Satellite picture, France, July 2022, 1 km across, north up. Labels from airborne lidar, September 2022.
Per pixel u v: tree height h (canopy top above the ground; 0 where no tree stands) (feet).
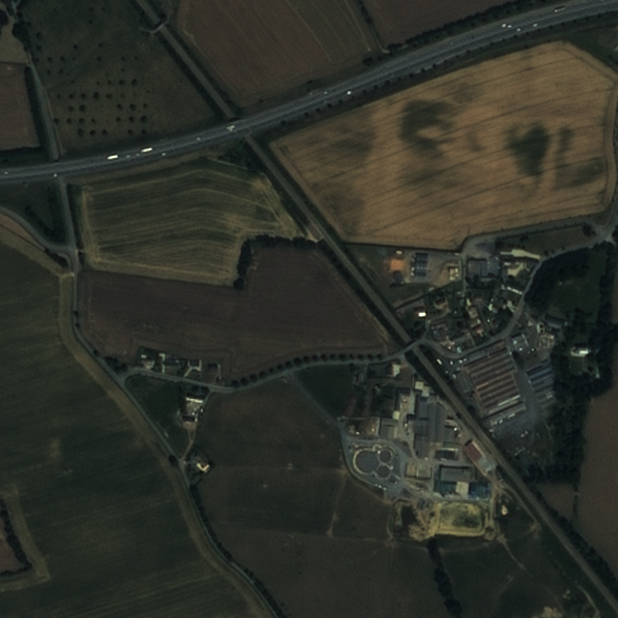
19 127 0
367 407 0
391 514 0
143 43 0
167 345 0
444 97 0
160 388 0
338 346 0
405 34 0
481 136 0
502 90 0
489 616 0
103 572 0
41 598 0
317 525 0
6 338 0
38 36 26
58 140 0
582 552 42
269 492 0
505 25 0
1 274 0
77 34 0
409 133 0
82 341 0
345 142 0
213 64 0
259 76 0
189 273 0
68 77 0
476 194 0
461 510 0
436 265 0
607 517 0
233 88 0
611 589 41
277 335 0
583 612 0
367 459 0
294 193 0
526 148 0
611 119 0
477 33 0
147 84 0
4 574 22
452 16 0
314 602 0
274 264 0
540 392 0
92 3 0
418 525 0
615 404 0
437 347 0
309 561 0
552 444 0
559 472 82
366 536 0
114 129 0
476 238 0
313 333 0
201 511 36
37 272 0
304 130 0
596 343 64
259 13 0
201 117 0
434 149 0
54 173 0
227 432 0
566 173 0
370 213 0
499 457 0
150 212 0
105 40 0
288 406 0
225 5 0
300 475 0
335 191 0
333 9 0
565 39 0
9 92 0
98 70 0
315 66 0
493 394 0
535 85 0
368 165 0
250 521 0
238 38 0
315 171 0
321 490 0
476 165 0
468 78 0
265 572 0
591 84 0
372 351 0
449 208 0
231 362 0
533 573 0
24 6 25
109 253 0
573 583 0
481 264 0
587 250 26
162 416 0
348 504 0
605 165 0
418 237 0
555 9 0
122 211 0
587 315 20
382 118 0
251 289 0
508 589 0
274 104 0
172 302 0
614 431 0
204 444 0
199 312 0
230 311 0
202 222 0
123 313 0
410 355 43
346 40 0
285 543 0
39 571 0
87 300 0
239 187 0
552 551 0
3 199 0
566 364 31
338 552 0
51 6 0
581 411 39
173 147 0
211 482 0
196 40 0
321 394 0
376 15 0
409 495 0
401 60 0
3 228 0
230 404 0
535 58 0
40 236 0
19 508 0
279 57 0
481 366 0
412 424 0
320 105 0
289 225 0
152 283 0
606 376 89
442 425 0
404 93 0
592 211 0
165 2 0
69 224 0
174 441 0
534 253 0
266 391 0
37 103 31
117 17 0
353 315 0
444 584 88
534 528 0
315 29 0
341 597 0
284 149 0
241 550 0
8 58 0
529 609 0
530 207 0
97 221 0
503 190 0
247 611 0
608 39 0
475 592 0
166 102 0
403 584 0
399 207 0
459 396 22
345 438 0
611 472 0
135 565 0
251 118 0
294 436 0
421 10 0
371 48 0
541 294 50
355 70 0
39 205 0
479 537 0
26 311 0
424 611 0
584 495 0
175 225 0
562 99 0
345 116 0
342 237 0
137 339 0
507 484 0
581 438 74
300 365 41
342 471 0
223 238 0
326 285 0
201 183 0
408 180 0
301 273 0
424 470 0
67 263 42
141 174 0
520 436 0
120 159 0
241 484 0
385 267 0
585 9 0
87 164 0
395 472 0
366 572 0
